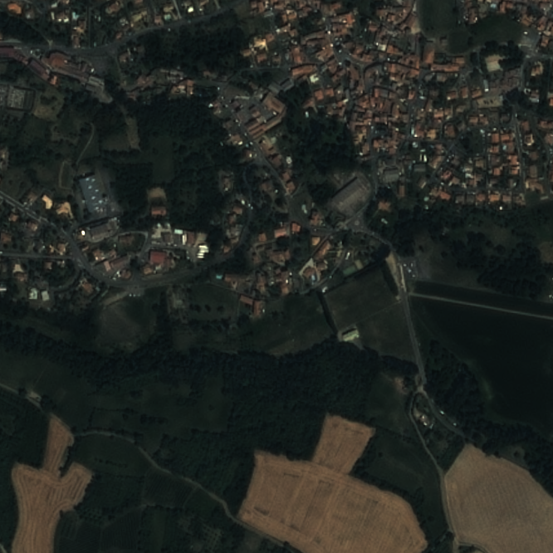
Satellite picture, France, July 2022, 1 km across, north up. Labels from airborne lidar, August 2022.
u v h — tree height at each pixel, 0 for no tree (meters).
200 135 11
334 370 6
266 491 0
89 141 0
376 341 0
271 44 0
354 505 0
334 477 0
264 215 7
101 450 0
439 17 0
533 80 7
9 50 0
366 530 0
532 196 0
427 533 6
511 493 0
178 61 10
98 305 0
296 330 0
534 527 0
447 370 13
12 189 0
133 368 35
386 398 0
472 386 20
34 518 0
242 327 19
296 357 9
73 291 7
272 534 0
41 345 21
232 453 6
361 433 0
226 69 7
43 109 0
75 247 0
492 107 0
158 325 7
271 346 0
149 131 9
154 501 0
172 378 14
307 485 0
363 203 0
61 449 0
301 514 0
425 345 0
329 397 17
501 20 0
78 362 27
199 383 9
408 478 0
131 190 8
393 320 0
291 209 0
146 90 7
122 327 0
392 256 0
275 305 0
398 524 0
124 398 0
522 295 12
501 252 16
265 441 10
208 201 7
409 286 0
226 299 0
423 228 17
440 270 0
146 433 0
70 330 18
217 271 12
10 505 6
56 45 0
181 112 8
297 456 12
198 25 12
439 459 7
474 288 0
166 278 0
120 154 10
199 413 0
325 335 0
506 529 0
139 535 7
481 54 9
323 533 0
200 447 6
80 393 0
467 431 16
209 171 8
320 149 19
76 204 10
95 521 6
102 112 14
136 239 0
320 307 0
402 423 0
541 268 11
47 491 0
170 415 0
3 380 0
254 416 7
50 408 13
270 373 17
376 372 10
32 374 0
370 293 0
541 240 0
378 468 0
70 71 0
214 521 6
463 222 11
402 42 0
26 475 0
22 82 0
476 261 12
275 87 0
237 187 6
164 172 0
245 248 12
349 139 7
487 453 15
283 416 6
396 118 0
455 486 0
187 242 0
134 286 0
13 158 7
